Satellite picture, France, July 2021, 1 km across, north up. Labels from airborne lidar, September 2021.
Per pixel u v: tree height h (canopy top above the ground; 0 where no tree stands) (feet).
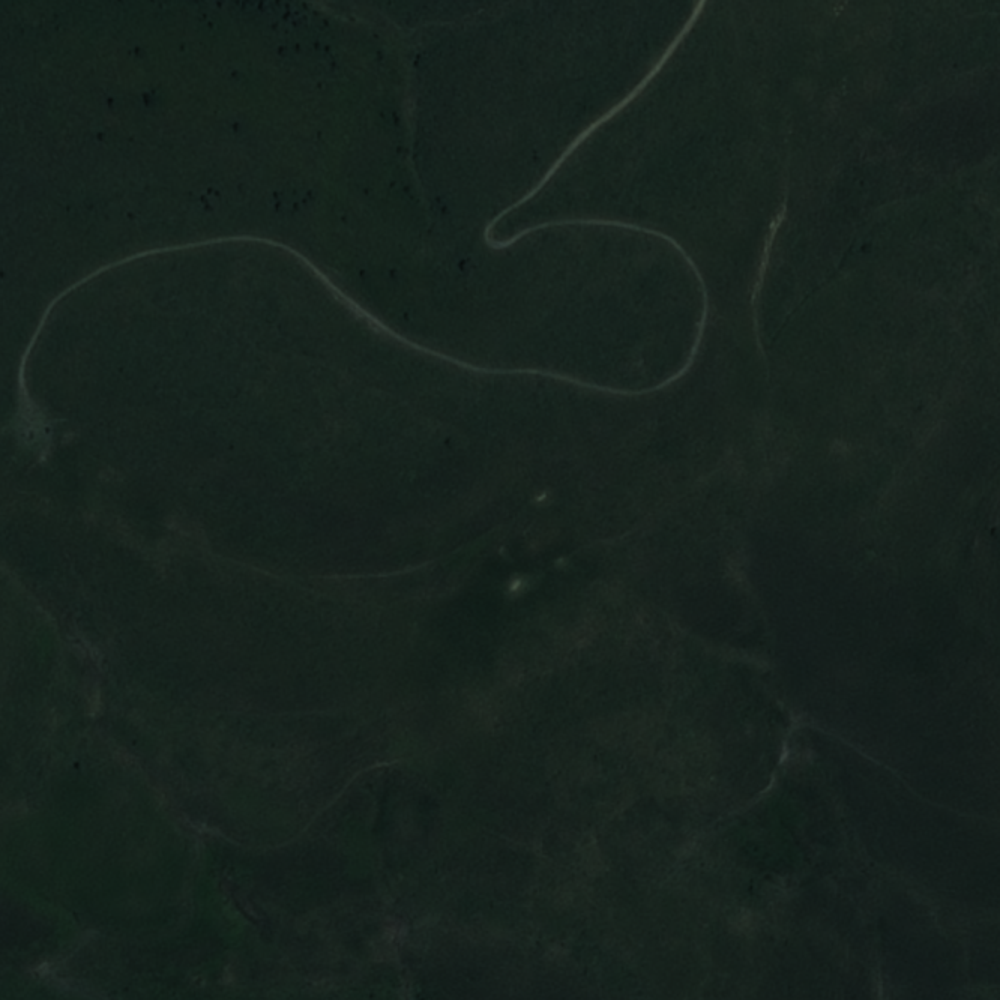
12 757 0
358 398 0
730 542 0
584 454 0
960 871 0
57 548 0
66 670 0
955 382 0
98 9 0
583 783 0
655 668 0
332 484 0
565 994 0
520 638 0
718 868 0
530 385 0
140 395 0
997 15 0
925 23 0
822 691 0
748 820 0
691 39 0
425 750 0
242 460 0
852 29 0
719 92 0
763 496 0
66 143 0
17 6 0
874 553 0
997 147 0
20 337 0
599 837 0
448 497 0
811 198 0
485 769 0
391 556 0
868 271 0
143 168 0
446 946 0
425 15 0
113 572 0
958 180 0
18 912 0
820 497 0
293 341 0
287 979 0
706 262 0
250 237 0
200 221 0
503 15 0
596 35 0
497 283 0
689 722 0
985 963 0
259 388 0
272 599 0
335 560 0
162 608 0
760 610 0
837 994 0
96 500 0
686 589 0
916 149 0
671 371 0
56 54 0
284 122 0
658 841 0
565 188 0
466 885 0
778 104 0
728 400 0
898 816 0
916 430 0
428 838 0
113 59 0
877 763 0
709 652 0
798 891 0
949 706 0
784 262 0
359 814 0
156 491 0
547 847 0
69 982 0
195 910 0
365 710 0
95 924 0
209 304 0
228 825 0
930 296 0
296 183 0
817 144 0
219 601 0
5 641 0
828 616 0
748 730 0
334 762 0
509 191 0
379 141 0
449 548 0
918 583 0
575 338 0
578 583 0
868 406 0
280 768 0
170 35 0
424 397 0
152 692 0
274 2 55
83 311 0
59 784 0
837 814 0
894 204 0
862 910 0
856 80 0
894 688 0
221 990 0
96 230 0
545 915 0
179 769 0
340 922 0
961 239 0
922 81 0
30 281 0
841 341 0
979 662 0
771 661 0
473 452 0
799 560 0
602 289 0
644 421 0
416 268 0
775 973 0
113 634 0
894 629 0
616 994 0
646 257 0
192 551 0
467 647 0
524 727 0
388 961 0
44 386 0
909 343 0
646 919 0
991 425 0
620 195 0
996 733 0
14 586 0
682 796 0
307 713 0
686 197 0
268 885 0
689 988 0
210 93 0
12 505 0
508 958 0
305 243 0
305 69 0
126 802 0
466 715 0
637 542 0
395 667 0
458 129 0
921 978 0
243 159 0
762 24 0
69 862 0
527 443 0
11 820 0
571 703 0
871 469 0
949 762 0
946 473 0
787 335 0
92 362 0
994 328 0
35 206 0
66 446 0
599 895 0
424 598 0
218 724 0
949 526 0
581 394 0
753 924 0
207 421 0
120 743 0
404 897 0
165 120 0
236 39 0
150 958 0
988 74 0
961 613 0
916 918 0
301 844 0
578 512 0
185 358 0
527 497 0
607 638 0
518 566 0
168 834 0
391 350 0
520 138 0
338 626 0
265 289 0
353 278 0
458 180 0
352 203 0
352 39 0
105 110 0
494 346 0
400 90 0
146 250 0
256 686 0
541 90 0
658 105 0
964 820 0
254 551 0
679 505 0
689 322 0
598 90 0
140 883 0
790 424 0
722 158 0
